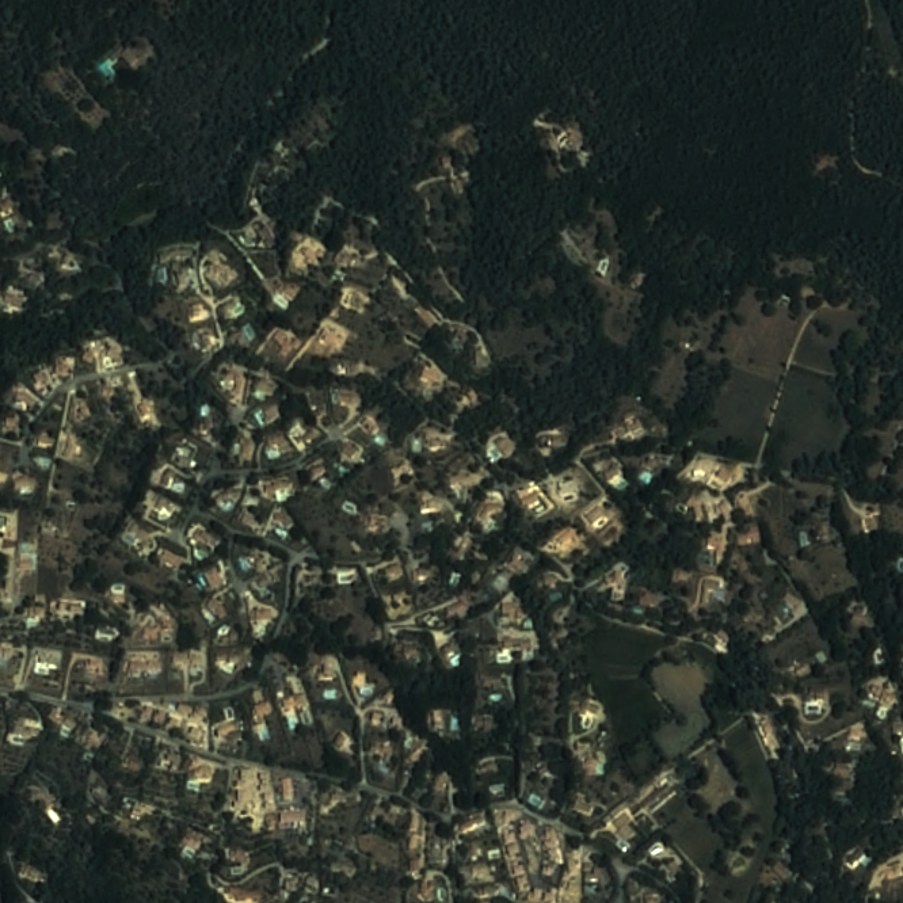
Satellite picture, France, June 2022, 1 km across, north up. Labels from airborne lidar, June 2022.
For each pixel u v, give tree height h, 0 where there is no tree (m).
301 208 12
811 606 11
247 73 9
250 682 9
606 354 9
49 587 0
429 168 17
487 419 12
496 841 7
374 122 11
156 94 16
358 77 17
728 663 17
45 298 12
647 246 15
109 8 16
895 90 15
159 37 22
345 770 13
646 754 0
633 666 0
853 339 18
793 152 11
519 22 9
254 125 20
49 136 14
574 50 8
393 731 10
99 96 14
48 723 8
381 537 7
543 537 7
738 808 19
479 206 19
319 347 0
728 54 9
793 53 9
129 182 14
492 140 9
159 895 9
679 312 14
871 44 17
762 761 0
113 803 6
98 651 6
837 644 14
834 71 18
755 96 9
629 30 14
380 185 20
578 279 8
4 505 10
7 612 7
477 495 12
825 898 18
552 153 12
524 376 13
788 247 17
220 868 11
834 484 10
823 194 8
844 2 15
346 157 16
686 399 6
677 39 16
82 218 11
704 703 9
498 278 11
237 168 14
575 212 15
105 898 12
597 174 9
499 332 15
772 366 0
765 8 8
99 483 10
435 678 12
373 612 16
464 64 14
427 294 10
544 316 15
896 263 8
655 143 12
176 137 11
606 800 6
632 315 7
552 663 8
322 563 11
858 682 8
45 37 11
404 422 8
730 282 11
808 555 14
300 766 10
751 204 10
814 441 0
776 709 12
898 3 14
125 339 13
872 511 8
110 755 6
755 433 0
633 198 15
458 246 6
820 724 0
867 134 15
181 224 20
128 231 17
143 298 13
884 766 10
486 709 7
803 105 14
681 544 19
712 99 15
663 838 13
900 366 20
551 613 15
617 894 9
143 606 12
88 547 6
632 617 7
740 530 12
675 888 10
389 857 0
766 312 12
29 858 9
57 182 17
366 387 16
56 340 14
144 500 10
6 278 9
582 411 17
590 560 10
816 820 10
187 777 6
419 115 11
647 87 15
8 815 15
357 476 13
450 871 13
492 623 0
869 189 17
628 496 10
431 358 10
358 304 0
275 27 13
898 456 11
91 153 10
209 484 7
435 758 8
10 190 10
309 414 15
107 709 11
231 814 10
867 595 16
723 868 16
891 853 9
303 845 8
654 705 0
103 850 14
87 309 21
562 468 10
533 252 10
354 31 23
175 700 0
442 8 7
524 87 16
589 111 14
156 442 8
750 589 15
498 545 12
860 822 15
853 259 11
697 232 8
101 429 7
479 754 7
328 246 17
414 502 7
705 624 8
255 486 10
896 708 7
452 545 10
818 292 13
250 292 7
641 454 13
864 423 15
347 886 9
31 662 0
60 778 6
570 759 19
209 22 15
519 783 15
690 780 6
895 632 14
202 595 7
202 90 21
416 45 19
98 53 13
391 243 11
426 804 12
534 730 6
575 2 13
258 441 11
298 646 12
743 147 9
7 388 12
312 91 15
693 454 15
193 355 0
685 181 12
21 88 17
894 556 14
